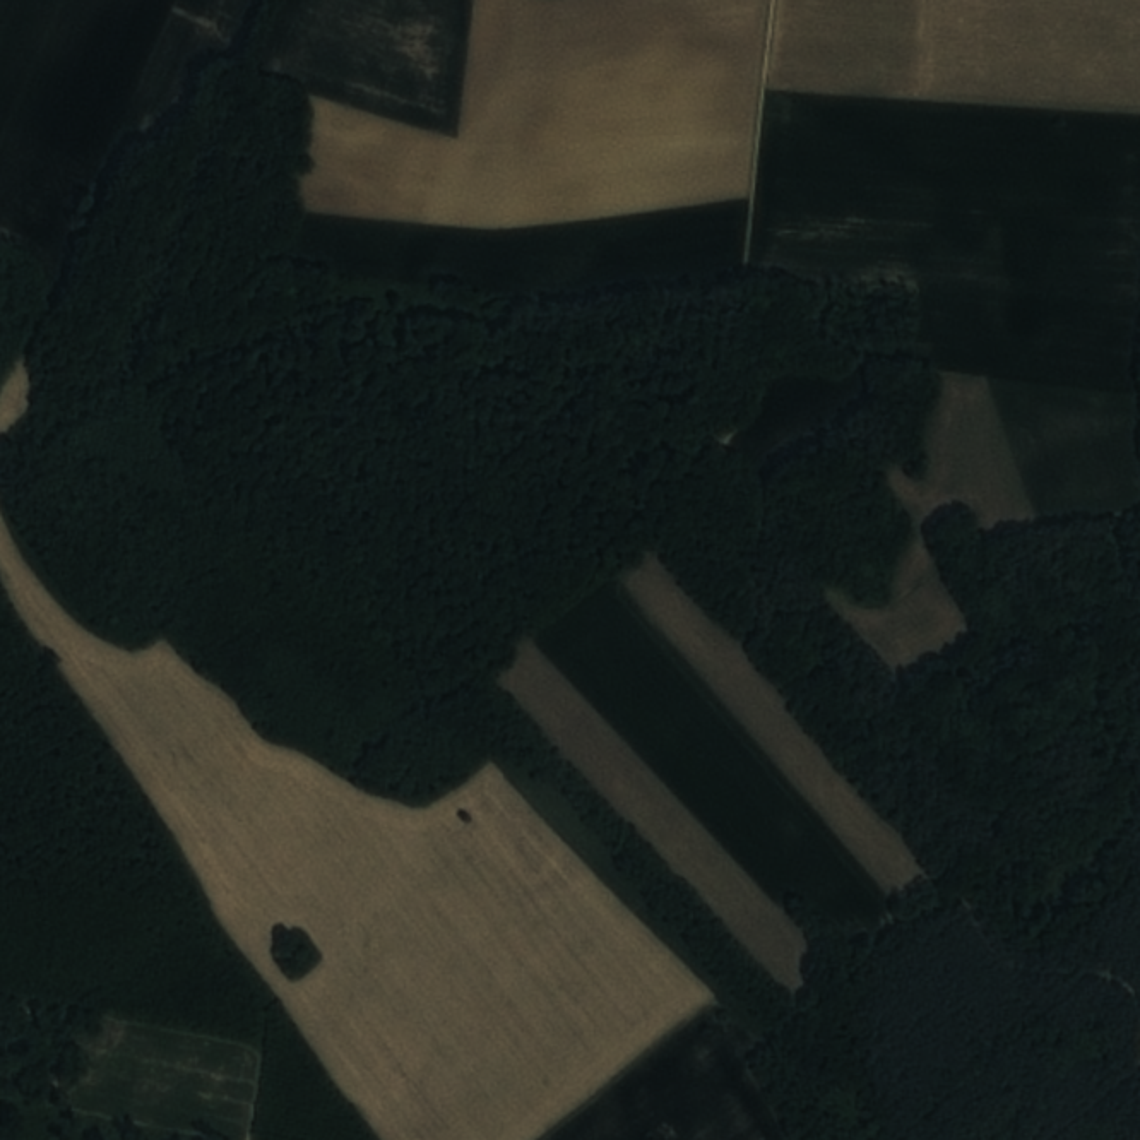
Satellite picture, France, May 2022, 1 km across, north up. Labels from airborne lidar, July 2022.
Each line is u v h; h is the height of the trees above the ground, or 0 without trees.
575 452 26
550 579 23
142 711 0
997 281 0
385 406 19
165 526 11
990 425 0
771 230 0
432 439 21
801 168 0
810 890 0
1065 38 0
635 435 23
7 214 0
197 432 24
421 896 0
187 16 0
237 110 28
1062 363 0
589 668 0
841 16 0
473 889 0
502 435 20
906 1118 20
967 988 19
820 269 0
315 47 0
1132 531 17
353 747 17
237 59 19
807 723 20
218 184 28
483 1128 0
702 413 20
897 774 25
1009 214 0
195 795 0
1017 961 20
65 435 24
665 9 0
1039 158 0
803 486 24
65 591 11
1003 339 0
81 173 0
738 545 17
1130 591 25
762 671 13
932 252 0
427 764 23
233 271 24
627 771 0
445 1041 0
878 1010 20
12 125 0
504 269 0
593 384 25
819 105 0
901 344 14
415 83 0
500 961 0
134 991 13
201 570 12
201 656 11
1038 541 21
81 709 19
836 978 22
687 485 26
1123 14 0
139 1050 0
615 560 17
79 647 0
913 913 19
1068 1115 16
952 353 0
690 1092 0
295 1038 7
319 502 20
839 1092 24
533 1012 0
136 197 30
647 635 0
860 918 0
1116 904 18
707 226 0
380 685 10
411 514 21
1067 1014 14
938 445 0
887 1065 19
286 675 14
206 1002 14
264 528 17
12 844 19
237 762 0
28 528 14
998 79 0
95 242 24
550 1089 0
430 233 0
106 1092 0
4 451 22
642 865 17
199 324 25
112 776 21
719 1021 6
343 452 23
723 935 13
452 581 21
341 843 0
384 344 21
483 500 21
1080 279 0
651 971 0
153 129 0
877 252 0
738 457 16
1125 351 0
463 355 28
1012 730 26
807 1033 24
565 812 0
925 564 0
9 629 15
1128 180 0
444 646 22
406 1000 0
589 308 21
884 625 0
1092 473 0
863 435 24
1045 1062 19
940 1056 21
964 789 27
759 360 19
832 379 15
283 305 26
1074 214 0
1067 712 29
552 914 0
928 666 18
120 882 14
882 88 0
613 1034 0
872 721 21
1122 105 0
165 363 24
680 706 0
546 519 22
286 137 26
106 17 0
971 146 0
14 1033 20
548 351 31
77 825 18
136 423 27
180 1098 0
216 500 13
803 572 22
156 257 19
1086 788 22
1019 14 0
